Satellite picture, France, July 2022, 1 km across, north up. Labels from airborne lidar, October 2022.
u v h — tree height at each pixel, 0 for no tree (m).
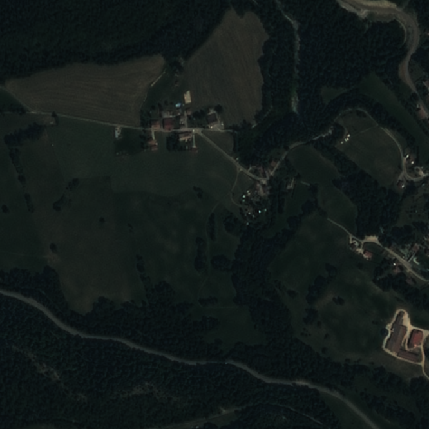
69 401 6
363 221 27
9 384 19
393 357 0
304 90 28
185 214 0
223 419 0
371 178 19
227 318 0
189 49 7
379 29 22
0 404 25
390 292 0
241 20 0
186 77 0
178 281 0
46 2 14
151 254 0
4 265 0
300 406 21
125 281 0
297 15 11
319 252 0
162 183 0
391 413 26
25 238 0
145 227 0
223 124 0
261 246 16
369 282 0
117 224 0
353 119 0
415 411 0
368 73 21
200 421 0
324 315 0
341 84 26
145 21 15
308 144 11
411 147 6
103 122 0
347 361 12
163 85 0
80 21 11
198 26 15
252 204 11
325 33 11
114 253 0
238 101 0
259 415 13
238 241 0
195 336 18
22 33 16
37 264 0
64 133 0
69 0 16
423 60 23
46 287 21
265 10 17
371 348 0
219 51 0
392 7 0
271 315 29
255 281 22
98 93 0
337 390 20
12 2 23
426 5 28
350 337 0
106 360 15
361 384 0
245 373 11
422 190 0
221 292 0
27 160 0
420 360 0
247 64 0
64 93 0
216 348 15
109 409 12
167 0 12
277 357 23
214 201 0
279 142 24
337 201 0
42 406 21
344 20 18
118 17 15
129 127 0
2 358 17
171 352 17
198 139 0
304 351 28
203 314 0
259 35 0
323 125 21
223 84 0
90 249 0
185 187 0
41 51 10
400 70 0
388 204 49
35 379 8
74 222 0
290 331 25
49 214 0
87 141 0
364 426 0
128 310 23
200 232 0
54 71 0
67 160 0
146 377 9
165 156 0
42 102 0
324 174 0
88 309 0
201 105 0
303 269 0
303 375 13
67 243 0
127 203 0
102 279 0
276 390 16
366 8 0
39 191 0
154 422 18
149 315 25
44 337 24
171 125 0
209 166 0
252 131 6
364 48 34
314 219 0
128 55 23
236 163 0
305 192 0
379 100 0
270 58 9
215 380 22
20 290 19
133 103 0
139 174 0
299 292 0
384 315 0
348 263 0
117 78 0
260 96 0
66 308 29
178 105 0
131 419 10
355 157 0
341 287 0
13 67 20
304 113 27
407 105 17
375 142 0
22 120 0
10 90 0
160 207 0
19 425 25
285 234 6
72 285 0
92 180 0
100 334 11
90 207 0
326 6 21
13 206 0
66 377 17
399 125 7
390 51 28
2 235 0
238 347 9
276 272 0
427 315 0
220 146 0
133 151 0
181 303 0
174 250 0
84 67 0
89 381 24
